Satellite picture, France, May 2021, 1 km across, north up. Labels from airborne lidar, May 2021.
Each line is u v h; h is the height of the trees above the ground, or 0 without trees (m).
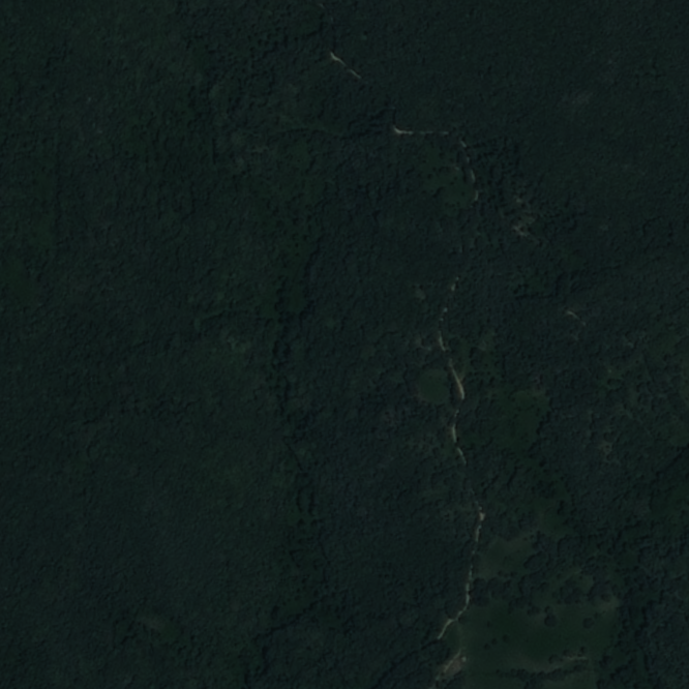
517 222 10
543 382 11
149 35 19
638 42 13
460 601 10
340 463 9
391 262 16
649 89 16
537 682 13
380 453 9
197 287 14
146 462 11
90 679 13
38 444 6
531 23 8
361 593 16
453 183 5
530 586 12
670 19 12
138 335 9
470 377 6
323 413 18
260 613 16
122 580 11
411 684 12
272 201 13
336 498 11
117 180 16
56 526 11
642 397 11
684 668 12
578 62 8
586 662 6
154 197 18
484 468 14
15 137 13
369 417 12
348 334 17
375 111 17
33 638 13
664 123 14
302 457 14
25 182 10
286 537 19
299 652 17
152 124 13
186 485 13
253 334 12
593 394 10
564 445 12
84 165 17
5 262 10
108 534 12
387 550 12
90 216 16
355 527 12
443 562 8
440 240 10
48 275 9
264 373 16
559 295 12
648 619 13
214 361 16
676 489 10
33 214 9
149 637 21
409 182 15
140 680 14
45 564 7
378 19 13
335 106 10
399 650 14
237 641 12
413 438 10
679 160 13
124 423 17
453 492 6
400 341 8
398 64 12
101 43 13
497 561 0
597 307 11
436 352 9
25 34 10
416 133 9
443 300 7
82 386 11
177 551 10
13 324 10
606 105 10
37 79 11
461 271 13
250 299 12
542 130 10
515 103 15
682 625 10
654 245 11
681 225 20
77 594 12
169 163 11
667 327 7
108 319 11
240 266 12
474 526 8
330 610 15
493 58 10
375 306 9
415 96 15
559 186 10
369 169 16
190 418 20
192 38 8
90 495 9
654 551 9
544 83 10
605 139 12
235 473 10
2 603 11
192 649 6
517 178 13
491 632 0
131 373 10
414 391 10
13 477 6
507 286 13
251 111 11
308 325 19
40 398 6
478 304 11
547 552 11
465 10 7
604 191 8
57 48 11
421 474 9
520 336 13
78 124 12
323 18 11
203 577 9
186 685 17
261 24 11
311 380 12
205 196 7
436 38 10
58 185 6
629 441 6
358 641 22
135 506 12
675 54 9
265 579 12
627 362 17
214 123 19
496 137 14
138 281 9
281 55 15
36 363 8
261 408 14
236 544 10
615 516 13
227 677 14
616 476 11
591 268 9
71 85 15
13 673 11
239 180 16
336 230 16
